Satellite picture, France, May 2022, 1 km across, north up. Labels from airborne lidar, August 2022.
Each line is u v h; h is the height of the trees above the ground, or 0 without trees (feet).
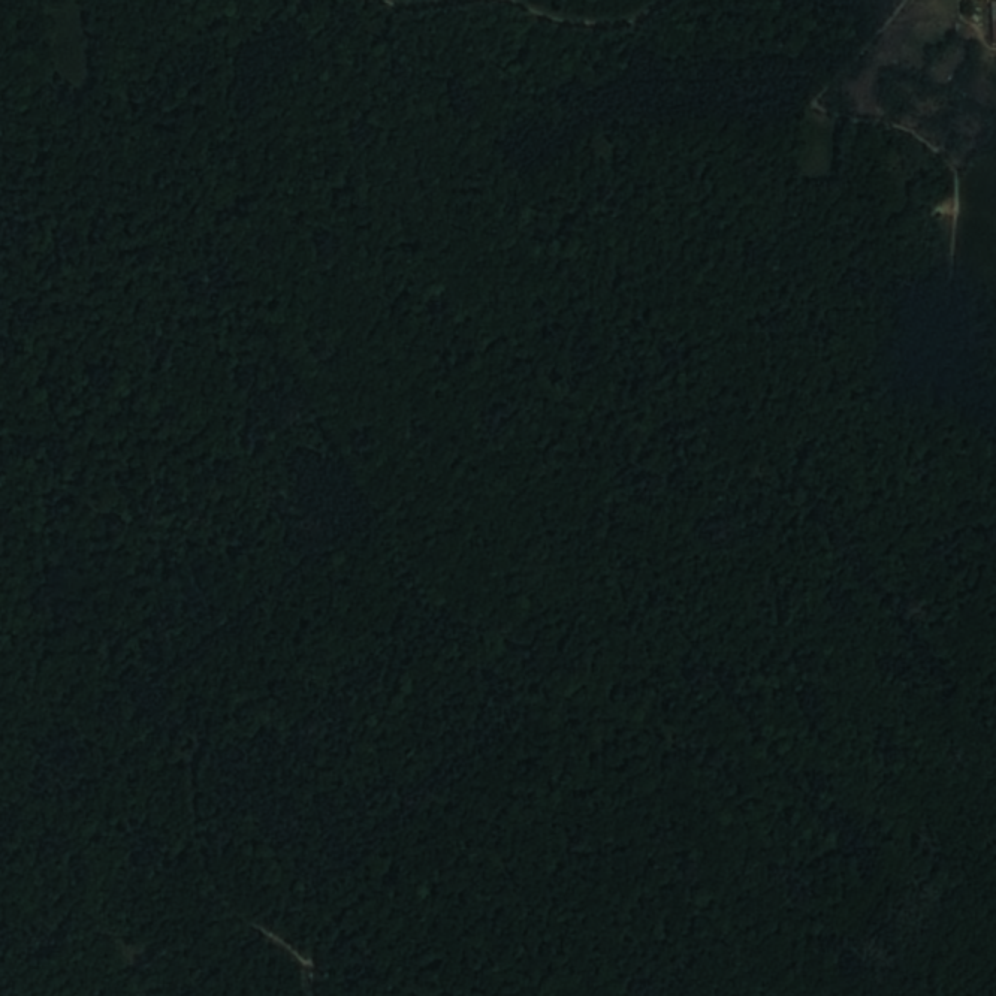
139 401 65
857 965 79
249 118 57
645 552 52
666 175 51
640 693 66
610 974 62
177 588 53
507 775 62
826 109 33
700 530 84
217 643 54
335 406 44
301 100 62
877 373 49
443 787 58
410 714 56
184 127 63
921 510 56
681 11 58
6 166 31
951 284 30
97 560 94
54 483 78
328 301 56
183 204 55
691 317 48
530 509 67
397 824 55
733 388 31
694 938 59
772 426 44
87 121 55
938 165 45
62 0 73
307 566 54
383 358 44
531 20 58
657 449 63
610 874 57
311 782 59
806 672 56
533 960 66
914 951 35
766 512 53
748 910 71
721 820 63
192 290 97
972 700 31
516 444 48
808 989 68
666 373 54
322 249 95
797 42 64
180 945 53
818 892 68
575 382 72
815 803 50
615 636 72
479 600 54
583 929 63
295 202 78
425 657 56
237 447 52
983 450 49
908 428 59
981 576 62
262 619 54
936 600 64
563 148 55
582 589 62
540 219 55
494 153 62
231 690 58
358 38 49
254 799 58
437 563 49
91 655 57
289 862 50
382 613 25
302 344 56
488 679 70
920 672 55
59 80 42
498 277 53
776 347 42
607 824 61
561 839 51
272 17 35
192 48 50
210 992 50
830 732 58
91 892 52
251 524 56
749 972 59
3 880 56
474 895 57
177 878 47
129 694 49
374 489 51
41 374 44
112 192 70
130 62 59
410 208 52
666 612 42
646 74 57
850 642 49
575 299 47
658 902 62
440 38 63
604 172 46
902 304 69
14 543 73
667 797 55
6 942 83
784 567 43
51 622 26
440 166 53
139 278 70
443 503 58
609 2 52
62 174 56
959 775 70
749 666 52
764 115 68
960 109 40
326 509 59
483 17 47
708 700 62
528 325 64
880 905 45
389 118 71
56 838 91
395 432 63
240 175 56
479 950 55
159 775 56
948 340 38
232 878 33
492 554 64
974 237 0
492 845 54
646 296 61
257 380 70
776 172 53
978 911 62
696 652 69
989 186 0
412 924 61
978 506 58
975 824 37
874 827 81
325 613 51
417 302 55
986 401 57
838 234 52
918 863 33
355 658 44
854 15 44
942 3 0
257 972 54
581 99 58
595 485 55
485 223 41
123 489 72
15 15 69
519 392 48
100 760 56
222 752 71
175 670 54
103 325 73
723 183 57
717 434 53
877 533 47
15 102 59
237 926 59
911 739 54
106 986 47
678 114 57
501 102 61
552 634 54
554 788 61
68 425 66
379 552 50
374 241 58
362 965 53
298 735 62
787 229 48
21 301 85
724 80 57
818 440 48
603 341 51
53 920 56
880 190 21
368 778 52
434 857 49
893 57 0
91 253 81
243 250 56
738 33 55
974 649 60
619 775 56
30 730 63
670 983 61
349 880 57
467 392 55
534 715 67
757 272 46
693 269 41
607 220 46
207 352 64
